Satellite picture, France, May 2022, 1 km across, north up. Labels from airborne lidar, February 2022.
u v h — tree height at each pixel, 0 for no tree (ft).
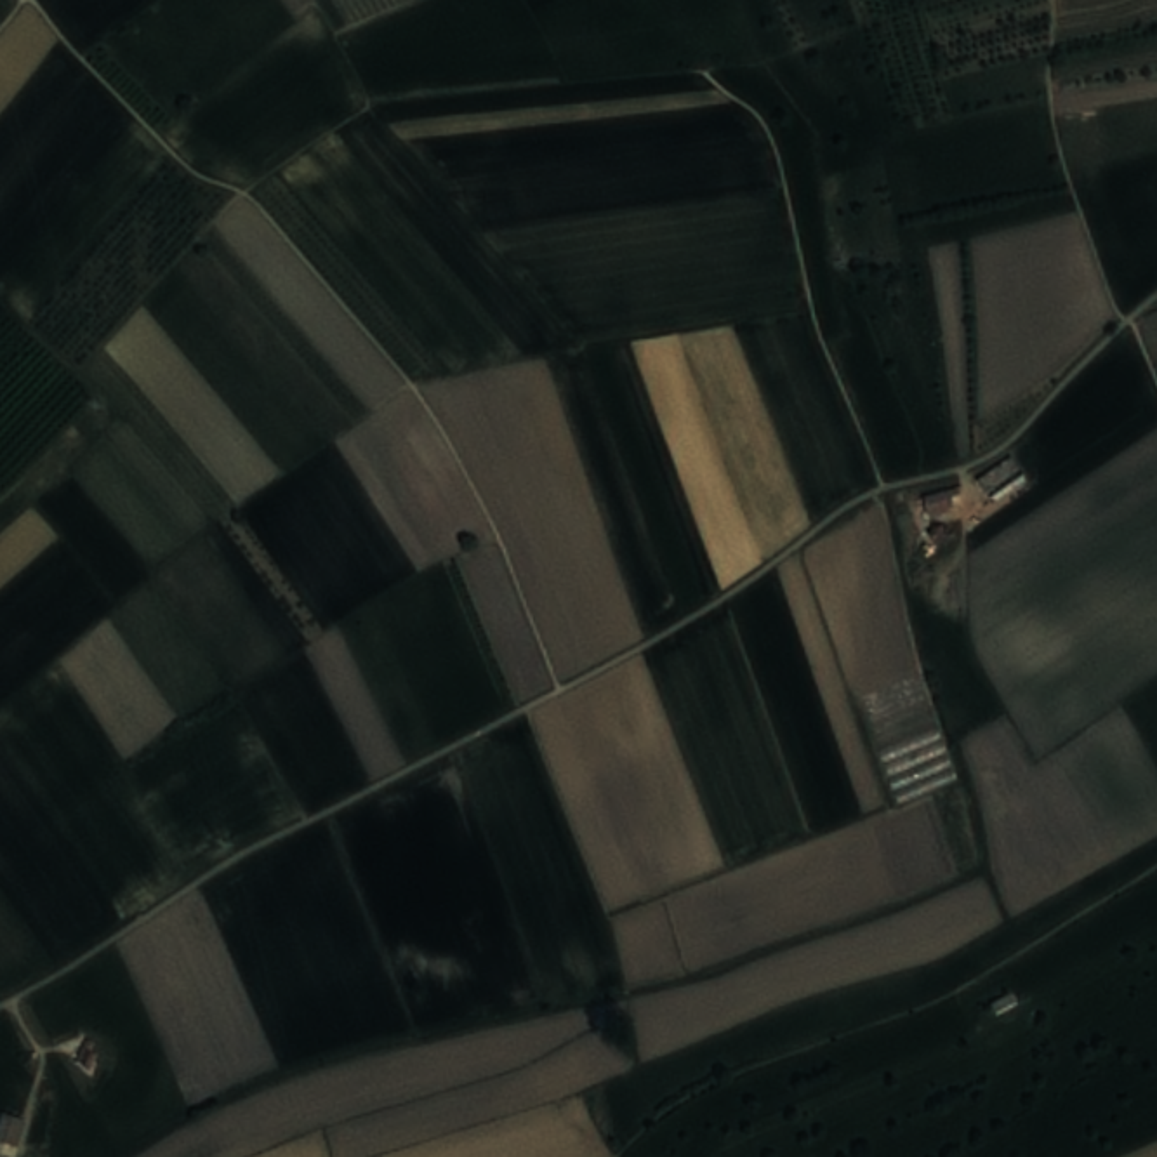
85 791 0
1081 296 0
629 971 0
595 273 0
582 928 0
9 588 0
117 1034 0
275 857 0
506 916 0
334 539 0
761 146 0
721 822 0
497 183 0
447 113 0
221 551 0
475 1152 0
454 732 0
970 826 0
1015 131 0
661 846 0
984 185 0
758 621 0
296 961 0
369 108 0
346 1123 0
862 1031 0
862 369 0
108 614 0
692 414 0
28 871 0
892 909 0
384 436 0
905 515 0
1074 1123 0
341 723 0
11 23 0
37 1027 0
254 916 0
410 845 0
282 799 0
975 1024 0
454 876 0
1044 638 0
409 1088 0
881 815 0
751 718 0
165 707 0
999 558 0
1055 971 0
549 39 0
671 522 0
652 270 0
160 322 0
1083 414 0
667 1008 0
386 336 0
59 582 0
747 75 0
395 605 0
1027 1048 0
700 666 0
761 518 0
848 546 0
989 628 0
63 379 0
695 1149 0
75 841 0
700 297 0
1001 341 0
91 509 0
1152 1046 0
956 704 0
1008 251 0
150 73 0
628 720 0
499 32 0
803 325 0
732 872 0
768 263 0
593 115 0
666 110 0
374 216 0
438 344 0
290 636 0
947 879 0
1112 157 0
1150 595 0
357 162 0
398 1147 0
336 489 0
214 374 0
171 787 0
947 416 0
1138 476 0
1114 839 0
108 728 0
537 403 0
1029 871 0
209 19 0
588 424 0
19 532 0
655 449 0
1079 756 0
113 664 0
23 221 0
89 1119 0
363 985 0
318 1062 0
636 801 0
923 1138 0
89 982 0
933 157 0
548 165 0
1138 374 0
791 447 0
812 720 0
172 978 0
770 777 0
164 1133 0
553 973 0
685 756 0
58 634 0
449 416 0
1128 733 0
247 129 0
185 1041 0
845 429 0
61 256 0
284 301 0
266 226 0
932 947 0
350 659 0
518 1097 0
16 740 0
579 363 0
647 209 0
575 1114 0
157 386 0
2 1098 0
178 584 0
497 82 0
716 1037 0
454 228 0
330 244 0
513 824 0
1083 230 0
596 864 0
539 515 0
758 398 0
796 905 0
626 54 0
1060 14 0
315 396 0
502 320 0
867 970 0
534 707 0
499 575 0
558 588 0
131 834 0
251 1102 0
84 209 0
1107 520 0
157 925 0
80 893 0
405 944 0
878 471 0
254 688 0
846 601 0
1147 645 0
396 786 0
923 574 0
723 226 0
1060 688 0
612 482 0
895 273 26
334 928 0
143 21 0
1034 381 0
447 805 0
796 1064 0
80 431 0
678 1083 0
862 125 0
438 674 0
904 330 0
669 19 0
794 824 0
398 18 0
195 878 0
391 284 0
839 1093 0
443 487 0
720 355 0
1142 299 0
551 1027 0
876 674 0
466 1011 0
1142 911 0
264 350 0
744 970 0
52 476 0
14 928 0
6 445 0
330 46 0
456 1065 0
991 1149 0
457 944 0
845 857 0
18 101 0
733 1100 0
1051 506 0
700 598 0
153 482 0
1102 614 0
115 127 0
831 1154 0
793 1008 0
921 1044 0
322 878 0
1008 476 0
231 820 0
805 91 0
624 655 0
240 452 0
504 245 0
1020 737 0
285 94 0
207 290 0
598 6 0
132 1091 0
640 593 0
